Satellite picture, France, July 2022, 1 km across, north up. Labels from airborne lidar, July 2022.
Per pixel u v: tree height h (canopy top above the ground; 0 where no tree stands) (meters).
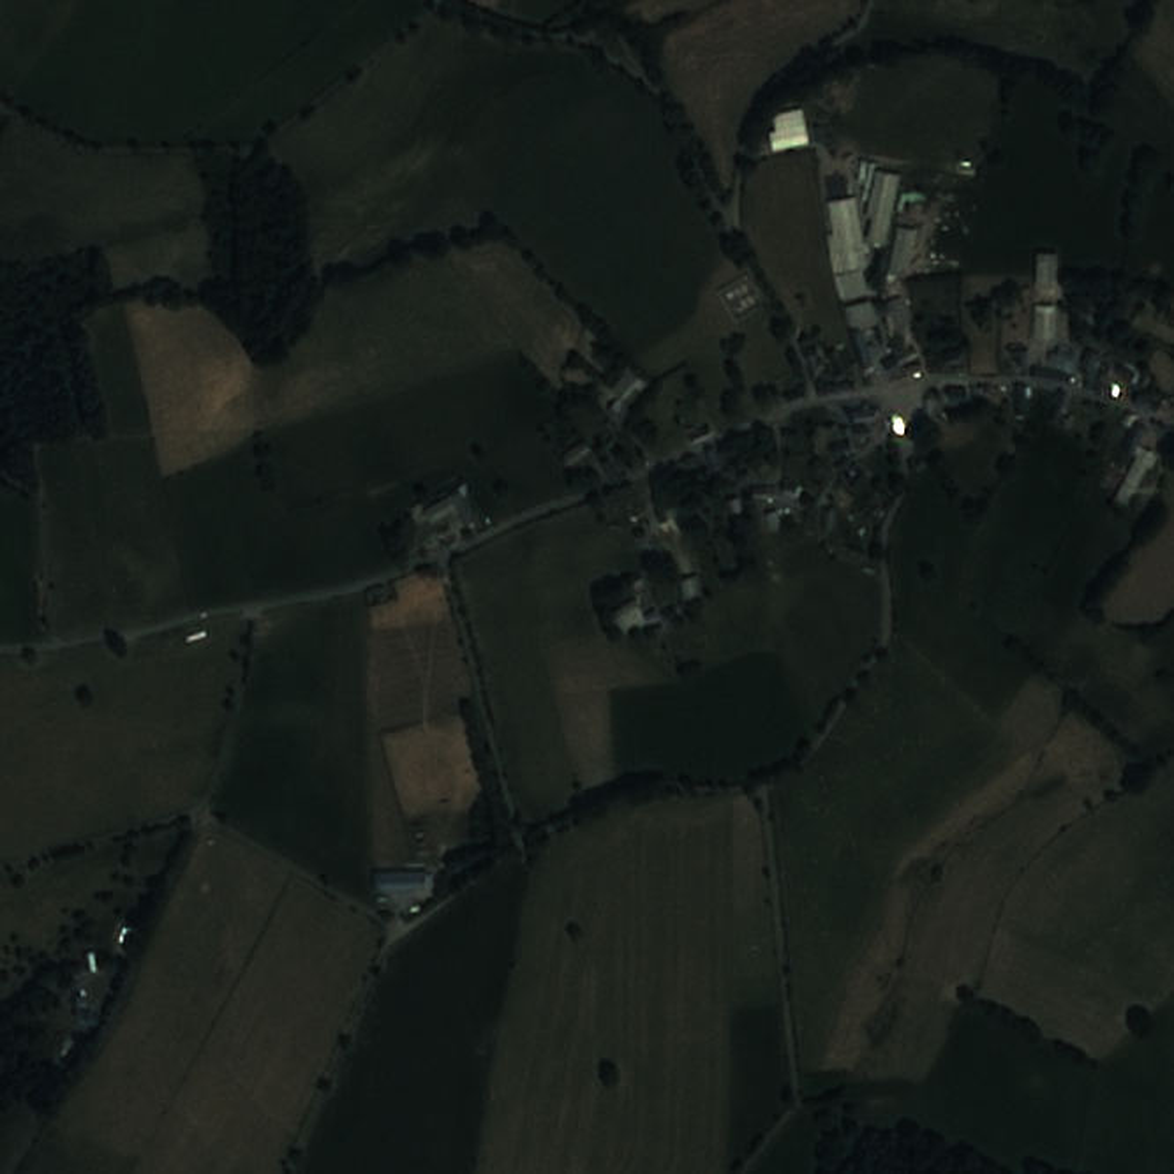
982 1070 0
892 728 0
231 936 0
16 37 0
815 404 0
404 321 0
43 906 0
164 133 0
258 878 0
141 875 0
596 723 0
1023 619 0
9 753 0
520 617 0
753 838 0
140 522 0
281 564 0
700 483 10
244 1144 0
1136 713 0
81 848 10
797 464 0
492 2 0
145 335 0
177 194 0
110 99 0
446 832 0
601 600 15
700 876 0
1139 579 0
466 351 0
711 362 0
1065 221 0
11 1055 9
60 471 0
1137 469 0
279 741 0
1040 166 0
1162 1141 0
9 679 0
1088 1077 0
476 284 0
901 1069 0
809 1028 0
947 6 0
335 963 0
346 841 0
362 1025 0
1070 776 0
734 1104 0
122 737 0
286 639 0
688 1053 0
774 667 0
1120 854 0
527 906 0
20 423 28
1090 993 0
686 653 0
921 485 0
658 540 0
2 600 0
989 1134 0
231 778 0
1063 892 0
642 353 0
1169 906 0
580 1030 0
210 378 0
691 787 15
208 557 0
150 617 0
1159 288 12
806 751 17
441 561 0
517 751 0
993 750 0
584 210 0
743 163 16
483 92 0
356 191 0
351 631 0
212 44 0
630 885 0
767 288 14
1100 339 17
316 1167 0
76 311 7
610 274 0
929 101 0
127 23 0
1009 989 0
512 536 0
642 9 0
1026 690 0
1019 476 0
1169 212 0
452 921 0
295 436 0
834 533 0
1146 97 0
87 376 26
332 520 0
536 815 0
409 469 0
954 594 0
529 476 0
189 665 0
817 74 19
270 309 18
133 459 0
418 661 0
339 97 0
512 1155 0
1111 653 0
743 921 0
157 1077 0
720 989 0
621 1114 0
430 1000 0
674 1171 0
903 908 0
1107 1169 0
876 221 0
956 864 0
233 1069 0
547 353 0
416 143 0
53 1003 13
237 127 0
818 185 0
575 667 0
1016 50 0
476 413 0
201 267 0
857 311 0
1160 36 0
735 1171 9
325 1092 14
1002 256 0
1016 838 0
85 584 0
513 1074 0
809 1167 0
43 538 0
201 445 0
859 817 0
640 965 0
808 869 0
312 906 0
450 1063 0
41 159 0
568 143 0
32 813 0
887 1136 13
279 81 0
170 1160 0
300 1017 0
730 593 0
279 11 0
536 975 0
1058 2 0
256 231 17
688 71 0
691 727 0
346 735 0
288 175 16
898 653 0
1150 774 14
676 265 0
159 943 0
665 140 0
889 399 0
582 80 0
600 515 7
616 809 0
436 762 0
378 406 0
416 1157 0
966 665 0
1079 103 19
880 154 0
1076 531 0
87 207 0
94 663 0
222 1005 0
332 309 0
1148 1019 17
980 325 18
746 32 0
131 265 0
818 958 0
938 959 0
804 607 0
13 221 0
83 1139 0
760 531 0
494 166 0
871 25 0
